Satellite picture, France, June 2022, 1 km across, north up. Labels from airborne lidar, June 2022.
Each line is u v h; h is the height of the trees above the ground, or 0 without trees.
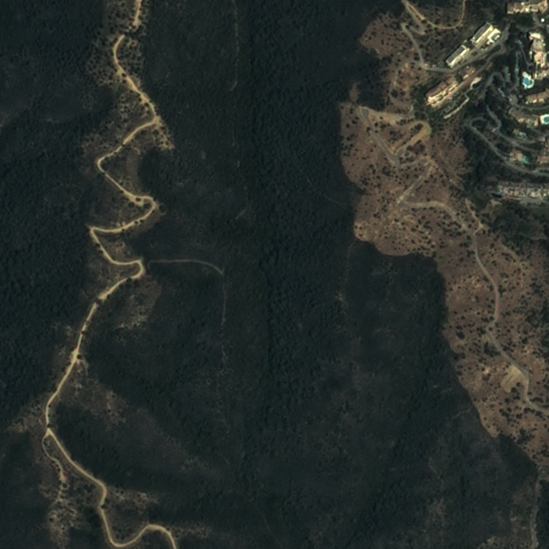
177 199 12
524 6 0
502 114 11
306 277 8
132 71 7
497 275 0
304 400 9
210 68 6
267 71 7
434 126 6
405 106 0
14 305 13
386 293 8
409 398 11
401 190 0
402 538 8
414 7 0
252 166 13
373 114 0
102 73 10
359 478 7
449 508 6
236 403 10
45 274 11
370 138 0
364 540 9
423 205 0
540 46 0
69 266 9
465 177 9
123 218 0
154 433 0
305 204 6
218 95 6
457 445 8
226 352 8
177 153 9
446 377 7
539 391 0
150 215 0
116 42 7
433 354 8
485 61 8
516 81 11
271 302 11
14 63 10
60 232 9
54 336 7
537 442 0
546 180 14
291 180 10
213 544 6
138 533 0
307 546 11
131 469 9
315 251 7
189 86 7
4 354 8
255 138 14
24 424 7
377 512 15
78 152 9
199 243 7
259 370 8
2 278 15
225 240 6
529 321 10
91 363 8
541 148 8
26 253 13
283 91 13
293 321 12
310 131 7
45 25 10
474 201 8
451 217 0
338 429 7
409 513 7
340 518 8
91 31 8
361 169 0
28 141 9
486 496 7
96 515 6
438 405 9
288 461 9
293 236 7
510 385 0
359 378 0
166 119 7
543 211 0
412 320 9
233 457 10
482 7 7
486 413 0
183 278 9
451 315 0
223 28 6
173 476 7
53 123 8
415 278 7
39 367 12
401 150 0
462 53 0
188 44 9
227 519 7
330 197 6
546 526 7
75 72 9
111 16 6
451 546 7
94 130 6
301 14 9
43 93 6
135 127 0
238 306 11
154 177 6
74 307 9
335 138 6
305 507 8
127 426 6
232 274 7
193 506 11
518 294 0
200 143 8
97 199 7
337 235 7
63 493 0
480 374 0
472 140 18
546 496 10
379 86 8
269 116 11
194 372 8
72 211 9
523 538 0
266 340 8
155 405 9
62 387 0
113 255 0
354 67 6
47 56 9
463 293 0
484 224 9
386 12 8
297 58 10
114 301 6
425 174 0
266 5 9
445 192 0
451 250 0
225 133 6
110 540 0
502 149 12
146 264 7
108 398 0
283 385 14
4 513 8
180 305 9
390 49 0
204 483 12
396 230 0
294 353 10
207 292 8
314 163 7
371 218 0
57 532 0
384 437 7
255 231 10
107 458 6
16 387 9
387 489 6
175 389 9
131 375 6
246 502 7
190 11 7
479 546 7
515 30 12
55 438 0
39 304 13
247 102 10
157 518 10
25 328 10
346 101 6
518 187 0
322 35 7
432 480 10
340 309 7
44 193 8
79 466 0
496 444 0
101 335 8
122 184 6
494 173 7
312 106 10
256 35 11
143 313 6
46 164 8
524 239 9
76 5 7
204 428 10
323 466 8
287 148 9
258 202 8
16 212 10
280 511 10
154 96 8
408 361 6
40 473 0
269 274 11
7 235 10
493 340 0
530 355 0
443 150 0
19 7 9
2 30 6
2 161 7
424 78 0
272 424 9
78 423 9
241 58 7
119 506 8
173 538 0
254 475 7
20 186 7
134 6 6
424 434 9
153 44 8
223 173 7
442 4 9
